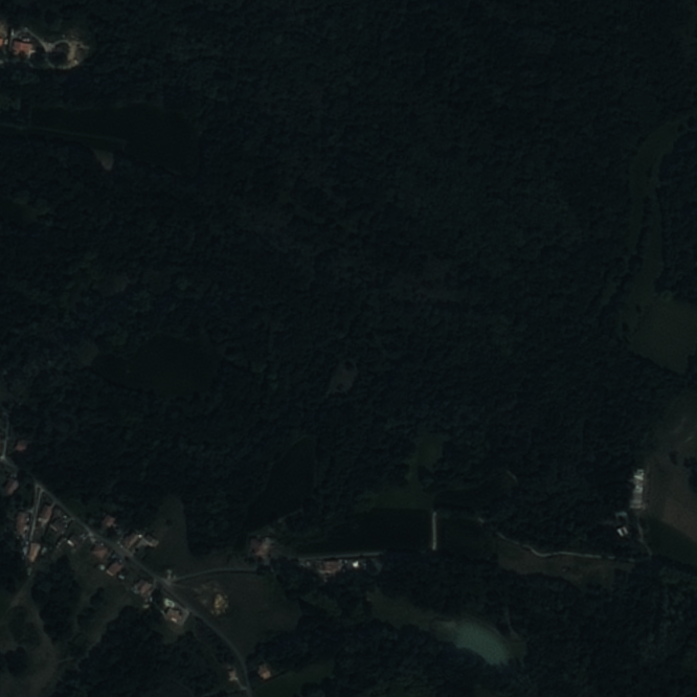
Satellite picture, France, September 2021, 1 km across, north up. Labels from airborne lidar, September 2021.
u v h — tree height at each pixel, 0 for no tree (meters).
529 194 8
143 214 18
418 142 23
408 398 17
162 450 28
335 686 19
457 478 18
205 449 27
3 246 27
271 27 23
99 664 23
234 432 26
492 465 22
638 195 0
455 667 27
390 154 19
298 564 7
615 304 14
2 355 19
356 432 17
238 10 12
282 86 9
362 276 14
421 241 20
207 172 21
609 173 23
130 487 28
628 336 16
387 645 27
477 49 16
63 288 23
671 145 0
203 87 18
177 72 18
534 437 20
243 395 18
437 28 10
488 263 26
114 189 23
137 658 18
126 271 16
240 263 17
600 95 21
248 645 0
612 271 18
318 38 17
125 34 23
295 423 18
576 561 0
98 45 14
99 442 31
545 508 22
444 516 11
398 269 10
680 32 6
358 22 24
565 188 17
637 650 23
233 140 22
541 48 24
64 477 20
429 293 19
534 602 28
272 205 7
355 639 30
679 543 0
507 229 24
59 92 19
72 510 0
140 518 21
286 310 20
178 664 6
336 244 10
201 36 28
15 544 13
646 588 25
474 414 27
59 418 19
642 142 14
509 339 23
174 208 21
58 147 17
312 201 12
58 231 24
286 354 20
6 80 25
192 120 17
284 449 14
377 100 22
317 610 22
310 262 8
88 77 25
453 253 20
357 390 11
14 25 14
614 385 21
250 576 0
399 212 24
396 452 22
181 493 16
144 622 13
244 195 26
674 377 13
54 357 19
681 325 0
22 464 16
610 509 20
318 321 17
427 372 16
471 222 25
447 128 11
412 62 14
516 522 21
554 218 10
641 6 16
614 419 20
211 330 18
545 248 12
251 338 22
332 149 10
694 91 8
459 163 24
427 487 20
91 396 29
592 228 15
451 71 14
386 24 9
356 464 27
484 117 10
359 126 24
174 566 0
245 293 20
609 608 29
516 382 21
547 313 19
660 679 27
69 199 24
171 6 20
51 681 0
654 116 16
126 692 9
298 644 29
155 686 8
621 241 19
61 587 21
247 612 0
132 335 23
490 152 8
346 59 24
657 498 0
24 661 14
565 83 23
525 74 21
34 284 23
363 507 21
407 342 17
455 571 19
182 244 27
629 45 21
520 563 0
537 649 20
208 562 0
